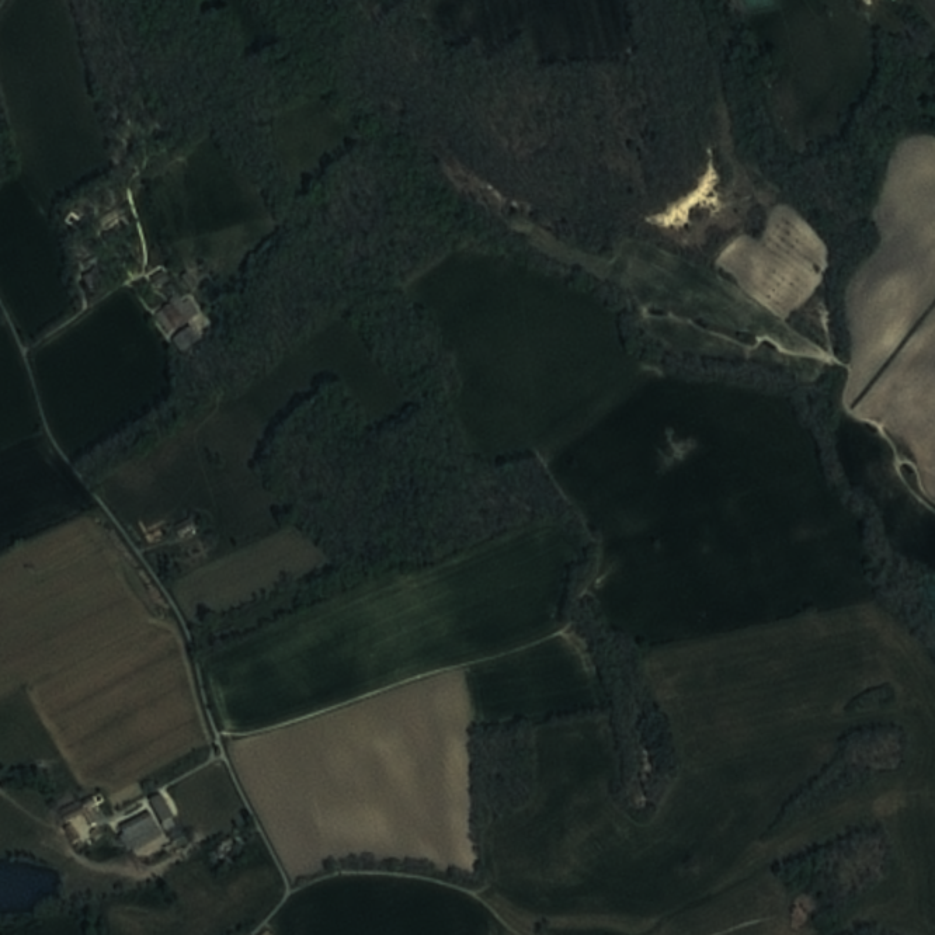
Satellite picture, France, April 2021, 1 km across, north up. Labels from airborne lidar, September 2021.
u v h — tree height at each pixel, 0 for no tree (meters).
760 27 0
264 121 22
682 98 20
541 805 0
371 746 0
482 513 20
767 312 0
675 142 11
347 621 0
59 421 0
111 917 0
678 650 0
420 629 0
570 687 0
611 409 0
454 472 24
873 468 0
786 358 0
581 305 0
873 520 24
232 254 0
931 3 0
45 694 0
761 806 0
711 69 14
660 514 0
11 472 0
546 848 0
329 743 0
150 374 0
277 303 19
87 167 0
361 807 0
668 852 0
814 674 0
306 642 0
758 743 0
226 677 0
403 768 0
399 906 0
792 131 0
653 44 18
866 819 0
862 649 0
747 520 0
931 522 0
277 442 22
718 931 0
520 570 0
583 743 0
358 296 23
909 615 15
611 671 19
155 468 0
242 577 0
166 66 20
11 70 0
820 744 0
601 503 0
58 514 0
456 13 0
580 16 0
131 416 0
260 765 0
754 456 0
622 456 0
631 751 18
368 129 26
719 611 0
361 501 21
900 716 0
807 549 0
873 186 20
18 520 0
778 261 0
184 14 21
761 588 0
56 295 0
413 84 18
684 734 0
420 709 0
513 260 19
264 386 0
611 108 12
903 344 0
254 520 0
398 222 22
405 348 25
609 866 0
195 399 20
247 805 0
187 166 0
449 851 0
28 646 0
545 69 12
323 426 25
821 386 12
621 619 0
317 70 23
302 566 0
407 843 0
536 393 0
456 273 0
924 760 0
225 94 20
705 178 0
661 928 0
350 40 22
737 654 0
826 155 17
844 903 17
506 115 10
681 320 0
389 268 22
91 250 17
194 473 0
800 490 0
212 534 8
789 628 0
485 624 0
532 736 21
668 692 0
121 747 0
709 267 11
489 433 0
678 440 0
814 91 0
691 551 0
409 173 25
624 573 0
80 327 0
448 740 0
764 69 23
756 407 0
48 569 0
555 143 13
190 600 0
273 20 23
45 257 0
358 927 0
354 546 19
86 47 16
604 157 9
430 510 22
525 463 18
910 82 18
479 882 14
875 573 6
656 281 0
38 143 0
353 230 18
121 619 0
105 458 18
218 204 0
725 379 20
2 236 0
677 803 0
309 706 0
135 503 0
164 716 0
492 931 0
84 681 0
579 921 0
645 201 10
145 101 18
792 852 0
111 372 0
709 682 0
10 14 0
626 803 13
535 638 0
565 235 17
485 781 18
